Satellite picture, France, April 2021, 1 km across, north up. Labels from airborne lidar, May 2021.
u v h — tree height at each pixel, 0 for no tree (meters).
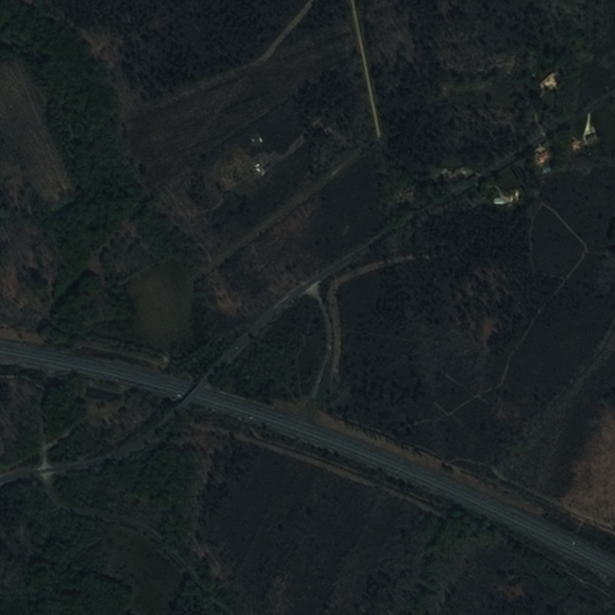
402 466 0
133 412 13
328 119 13
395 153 15
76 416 16
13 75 26
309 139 9
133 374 0
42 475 0
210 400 0
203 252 12
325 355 6
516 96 12
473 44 10
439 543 22
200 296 10
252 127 8
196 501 15
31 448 16
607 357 13
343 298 11
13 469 6
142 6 12
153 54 8
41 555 10
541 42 22
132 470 15
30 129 25
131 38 15
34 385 11
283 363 9
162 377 0
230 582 12
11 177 9
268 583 6
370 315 8
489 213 11
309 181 11
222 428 7
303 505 8
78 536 17
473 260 14
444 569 18
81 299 21
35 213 10
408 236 16
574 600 11
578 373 9
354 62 12
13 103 25
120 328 0
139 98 11
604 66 0
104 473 12
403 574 10
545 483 11
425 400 17
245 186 0
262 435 6
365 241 7
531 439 18
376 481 9
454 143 12
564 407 12
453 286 9
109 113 14
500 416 11
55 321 19
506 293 14
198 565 13
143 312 0
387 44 14
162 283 0
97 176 8
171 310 0
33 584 28
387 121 14
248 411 0
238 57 9
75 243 26
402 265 8
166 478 26
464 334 16
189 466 21
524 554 9
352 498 7
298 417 0
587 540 7
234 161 0
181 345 0
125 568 5
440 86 20
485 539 19
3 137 22
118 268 15
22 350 0
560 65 17
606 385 6
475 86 17
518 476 18
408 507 10
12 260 14
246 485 6
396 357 6
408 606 19
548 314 12
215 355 13
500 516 0
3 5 25
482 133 22
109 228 15
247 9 13
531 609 9
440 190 22
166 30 9
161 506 18
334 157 14
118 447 13
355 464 7
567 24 23
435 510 7
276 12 7
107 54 13
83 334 8
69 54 18
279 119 6
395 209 13
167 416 9
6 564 7
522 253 13
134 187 20
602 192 0
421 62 12
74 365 0
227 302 13
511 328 15
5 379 5
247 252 8
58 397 26
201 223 9
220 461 19
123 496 11
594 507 0
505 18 6
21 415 19
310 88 15
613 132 0
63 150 23
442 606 11
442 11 23
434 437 8
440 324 14
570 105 20
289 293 12
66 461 8
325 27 10
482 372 9
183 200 10
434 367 10
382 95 13
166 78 15
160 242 15
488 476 9
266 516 8
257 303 12
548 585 8
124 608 20
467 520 20
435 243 15
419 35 23
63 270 22
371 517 6
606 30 8
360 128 14
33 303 17
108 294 12
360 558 6
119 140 12
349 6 16
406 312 8
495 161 15
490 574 6
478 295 16
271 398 9
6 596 18
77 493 13
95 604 24
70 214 22
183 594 14
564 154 20
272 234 10
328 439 0
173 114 0
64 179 26
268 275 9
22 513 26
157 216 15
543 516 6
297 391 8
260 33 14
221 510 15
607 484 0
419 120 12
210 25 8
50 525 20
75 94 22
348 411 12
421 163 15
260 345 8
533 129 9
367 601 14
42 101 23
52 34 21
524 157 17
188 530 16
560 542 0
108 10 18
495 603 19
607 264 12
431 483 0
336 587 11
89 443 13
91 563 7
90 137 14
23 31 21
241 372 13
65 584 23
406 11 21
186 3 15
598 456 0
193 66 6
